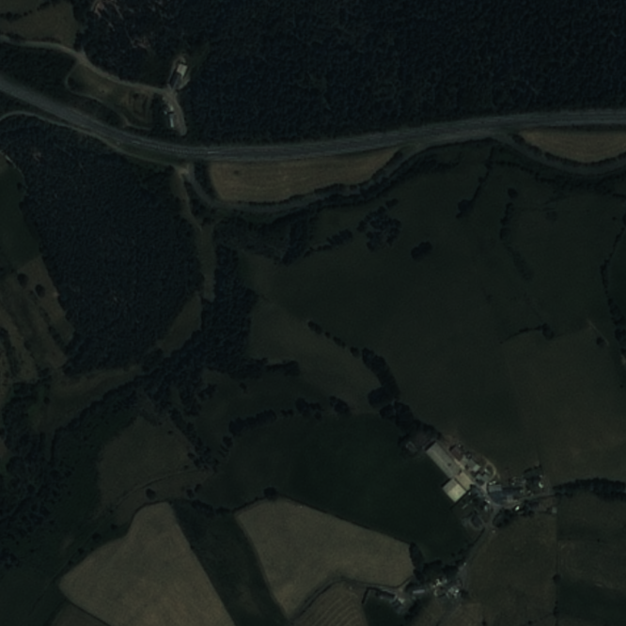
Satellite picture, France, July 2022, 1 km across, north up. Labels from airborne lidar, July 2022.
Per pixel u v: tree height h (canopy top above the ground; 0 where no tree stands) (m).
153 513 0
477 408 0
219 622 0
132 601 0
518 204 0
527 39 31
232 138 9
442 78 12
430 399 0
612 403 0
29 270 0
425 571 16
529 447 0
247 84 31
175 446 0
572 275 0
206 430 0
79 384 0
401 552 0
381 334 0
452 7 24
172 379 21
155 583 0
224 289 23
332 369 0
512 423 0
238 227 10
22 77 9
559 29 20
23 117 10
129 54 20
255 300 10
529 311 0
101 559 0
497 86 14
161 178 11
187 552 0
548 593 0
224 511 15
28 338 0
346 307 0
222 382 0
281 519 0
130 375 0
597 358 0
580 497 0
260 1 27
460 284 0
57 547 0
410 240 0
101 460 0
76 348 10
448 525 0
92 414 13
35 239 12
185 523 0
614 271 0
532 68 34
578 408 0
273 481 0
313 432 0
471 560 0
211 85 26
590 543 0
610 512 0
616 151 0
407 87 9
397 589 0
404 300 0
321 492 0
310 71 22
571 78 26
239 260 9
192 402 19
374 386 0
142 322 15
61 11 0
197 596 0
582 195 0
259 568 0
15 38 17
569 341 0
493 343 0
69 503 0
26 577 0
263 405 0
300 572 0
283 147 0
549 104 20
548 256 0
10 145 20
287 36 17
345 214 0
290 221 16
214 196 7
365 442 0
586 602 0
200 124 8
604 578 0
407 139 0
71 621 0
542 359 0
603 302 0
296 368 12
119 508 0
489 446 0
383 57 22
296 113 17
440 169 15
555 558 0
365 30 8
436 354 0
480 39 29
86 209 26
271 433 0
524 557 0
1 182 0
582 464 0
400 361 0
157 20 22
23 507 14
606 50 31
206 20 27
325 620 0
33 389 15
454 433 0
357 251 0
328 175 0
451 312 0
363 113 27
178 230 16
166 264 19
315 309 0
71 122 0
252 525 0
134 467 0
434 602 0
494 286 0
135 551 0
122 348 20
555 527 0
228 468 0
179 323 0
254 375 16
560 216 0
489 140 12
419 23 25
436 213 0
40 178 20
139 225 20
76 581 0
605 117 0
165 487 0
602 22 24
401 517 0
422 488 0
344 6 10
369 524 0
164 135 6
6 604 0
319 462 0
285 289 0
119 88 0
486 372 0
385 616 0
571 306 0
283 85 29
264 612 0
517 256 0
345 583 0
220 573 0
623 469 0
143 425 0
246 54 8
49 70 8
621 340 21
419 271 0
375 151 0
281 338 0
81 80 0
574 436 0
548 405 0
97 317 21
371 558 0
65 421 0
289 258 14
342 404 17
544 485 0
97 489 0
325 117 21
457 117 17
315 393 0
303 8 11
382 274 0
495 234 0
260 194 0
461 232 0
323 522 0
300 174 0
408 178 15
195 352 22
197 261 10
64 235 25
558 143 0
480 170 0
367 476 0
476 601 0
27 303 0
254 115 25
